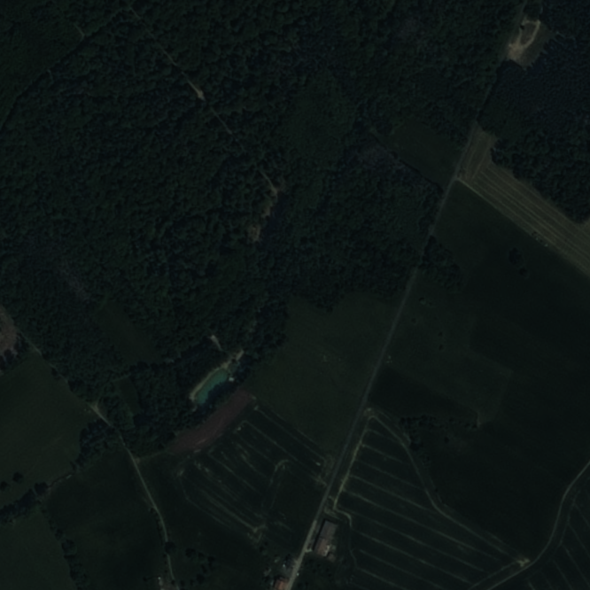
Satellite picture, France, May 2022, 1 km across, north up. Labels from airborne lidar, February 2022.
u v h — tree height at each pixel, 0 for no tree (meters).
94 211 29
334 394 0
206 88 23
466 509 0
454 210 0
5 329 0
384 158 25
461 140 22
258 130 31
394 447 0
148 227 28
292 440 0
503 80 20
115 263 26
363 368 0
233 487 0
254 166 16
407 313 0
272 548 0
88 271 26
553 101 21
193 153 32
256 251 27
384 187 24
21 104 23
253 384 0
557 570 0
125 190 29
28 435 0
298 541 0
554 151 34
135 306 26
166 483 0
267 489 0
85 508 0
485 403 0
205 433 0
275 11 34
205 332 11
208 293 28
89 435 19
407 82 25
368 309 0
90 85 25
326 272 18
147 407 30
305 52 32
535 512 0
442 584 0
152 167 25
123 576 0
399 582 0
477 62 31
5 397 0
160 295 23
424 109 23
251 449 0
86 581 19
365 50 29
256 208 33
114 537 0
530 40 0
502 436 0
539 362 0
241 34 27
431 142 0
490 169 0
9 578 0
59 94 22
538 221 0
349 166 29
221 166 34
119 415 27
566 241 0
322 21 29
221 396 24
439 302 0
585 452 0
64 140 22
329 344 0
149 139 22
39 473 0
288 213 20
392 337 0
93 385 23
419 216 16
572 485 0
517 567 0
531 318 0
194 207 27
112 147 13
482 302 0
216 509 0
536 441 0
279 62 32
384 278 10
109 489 0
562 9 25
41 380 0
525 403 0
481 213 0
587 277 0
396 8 11
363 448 0
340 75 19
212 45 33
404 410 0
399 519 0
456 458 0
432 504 0
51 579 0
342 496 0
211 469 0
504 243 0
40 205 22
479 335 0
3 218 16
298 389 0
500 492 0
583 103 15
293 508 0
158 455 0
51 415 0
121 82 24
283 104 20
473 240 0
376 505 0
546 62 23
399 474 0
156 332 13
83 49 27
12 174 27
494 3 13
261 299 18
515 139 17
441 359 0
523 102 22
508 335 0
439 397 0
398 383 0
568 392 0
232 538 0
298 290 22
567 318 0
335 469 0
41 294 17
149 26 26
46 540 0
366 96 20
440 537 0
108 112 17
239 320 29
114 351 15
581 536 0
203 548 0
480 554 0
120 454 0
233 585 0
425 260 15
